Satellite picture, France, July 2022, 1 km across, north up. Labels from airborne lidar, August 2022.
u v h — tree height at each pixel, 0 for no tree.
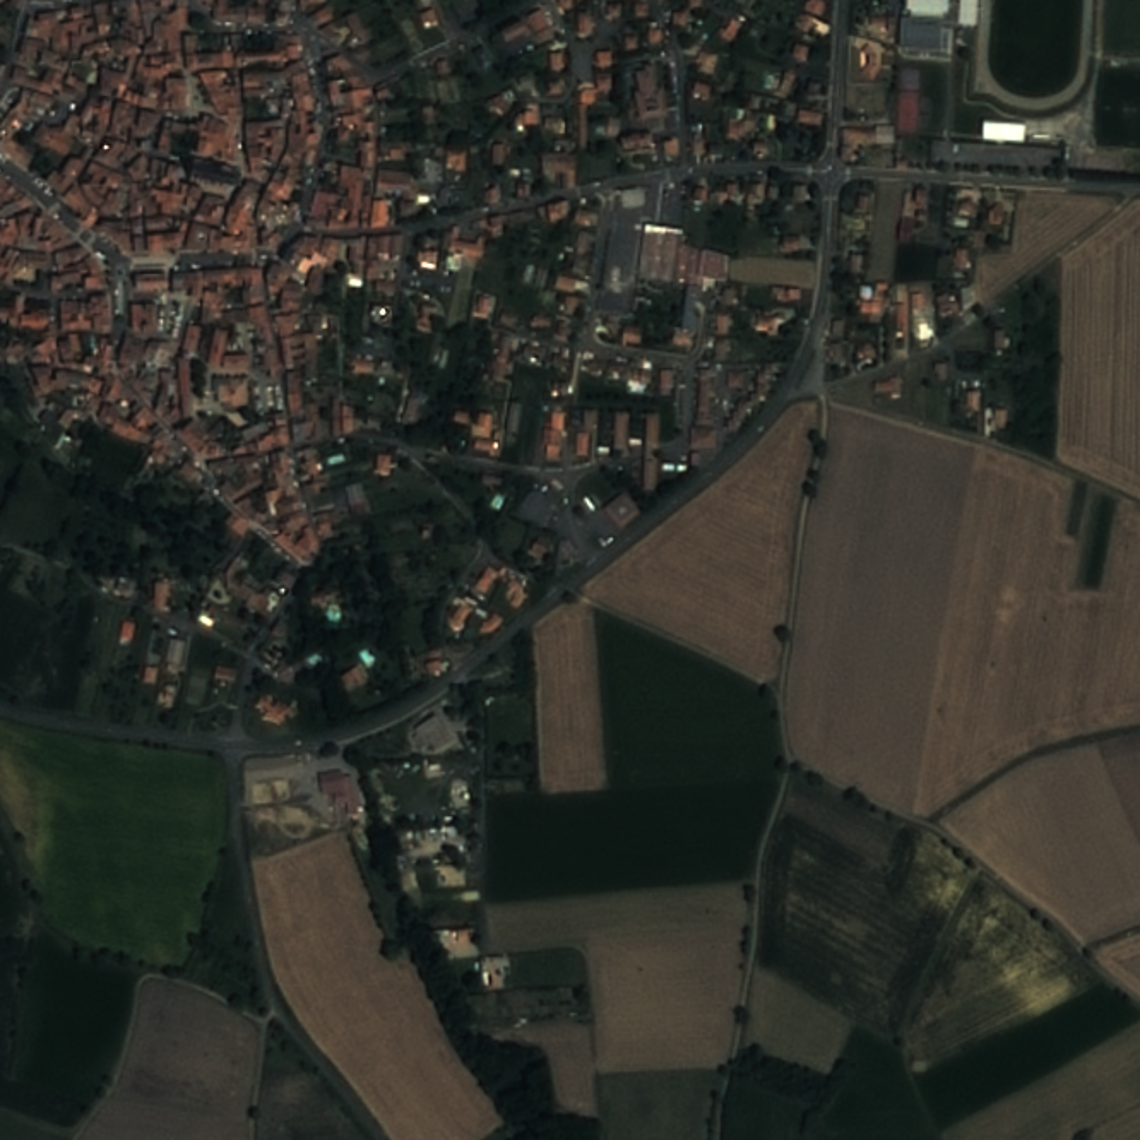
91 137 0
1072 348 0
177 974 9
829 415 0
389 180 0
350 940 0
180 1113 0
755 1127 0
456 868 11
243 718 0
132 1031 0
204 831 0
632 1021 0
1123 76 0
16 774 0
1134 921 0
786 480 0
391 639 13
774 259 0
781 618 0
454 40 0
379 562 13
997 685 0
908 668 0
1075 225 0
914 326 0
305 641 11
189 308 0
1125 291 0
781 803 0
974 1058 0
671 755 0
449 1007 15
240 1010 11
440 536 12
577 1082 0
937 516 0
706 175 0
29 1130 0
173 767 0
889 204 0
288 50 0
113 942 0
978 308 10
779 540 0
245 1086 0
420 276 0
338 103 0
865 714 0
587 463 0
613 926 0
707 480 0
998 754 0
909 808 0
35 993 0
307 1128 0
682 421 0
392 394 6
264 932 0
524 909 0
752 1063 8
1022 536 0
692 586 0
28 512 0
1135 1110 0
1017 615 0
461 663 0
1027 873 0
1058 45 0
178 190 0
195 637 0
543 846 0
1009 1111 0
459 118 0
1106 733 0
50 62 0
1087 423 0
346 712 14
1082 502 0
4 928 0
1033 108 0
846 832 0
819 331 0
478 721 11
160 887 0
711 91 8
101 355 0
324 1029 0
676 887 0
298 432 0
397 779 0
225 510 10
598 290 7
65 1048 0
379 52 0
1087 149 0
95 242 0
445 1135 0
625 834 0
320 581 11
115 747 0
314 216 0
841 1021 0
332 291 12
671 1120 0
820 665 0
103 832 0
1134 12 0
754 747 0
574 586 0
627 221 0
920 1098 0
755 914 0
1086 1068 0
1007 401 0
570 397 0
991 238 9
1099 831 0
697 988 0
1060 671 0
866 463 0
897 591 0
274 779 0
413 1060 0
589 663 0
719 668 0
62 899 0
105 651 0
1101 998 0
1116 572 0
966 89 0
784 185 10
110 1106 0
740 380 0
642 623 0
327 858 0
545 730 0
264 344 0
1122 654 0
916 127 0
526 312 0
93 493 14
